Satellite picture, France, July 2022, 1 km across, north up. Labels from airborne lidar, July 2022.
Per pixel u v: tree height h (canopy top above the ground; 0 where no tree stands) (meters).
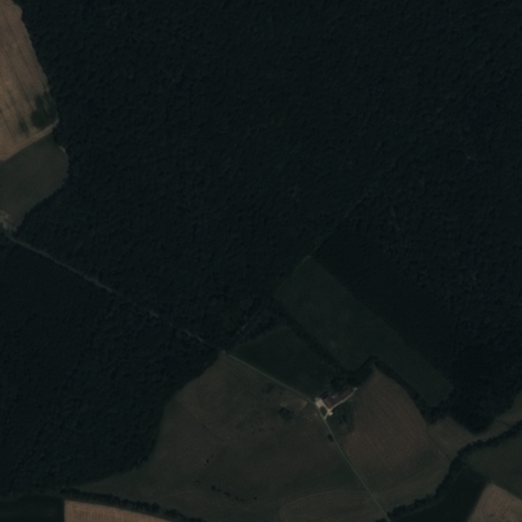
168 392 19
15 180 0
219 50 24
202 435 0
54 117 0
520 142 24
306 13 17
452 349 15
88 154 17
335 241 15
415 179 24
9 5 0
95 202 25
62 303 17
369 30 23
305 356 0
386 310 14
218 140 26
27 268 19
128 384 26
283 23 20
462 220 20
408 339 13
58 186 0
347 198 21
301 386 0
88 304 12
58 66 24
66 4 27
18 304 19
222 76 21
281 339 0
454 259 24
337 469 0
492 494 0
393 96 22
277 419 0
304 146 18
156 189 22
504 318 25
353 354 0
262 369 0
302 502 0
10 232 0
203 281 20
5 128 0
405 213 19
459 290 24
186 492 0
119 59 24
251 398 0
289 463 0
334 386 15
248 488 0
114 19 19
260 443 0
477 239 17
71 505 0
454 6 17
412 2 22
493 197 21
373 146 23
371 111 18
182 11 25
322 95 21
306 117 21
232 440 0
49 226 22
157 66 20
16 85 0
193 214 19
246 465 0
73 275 18
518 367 16
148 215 26
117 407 22
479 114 20
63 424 19
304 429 0
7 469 17
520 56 19
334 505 0
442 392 0
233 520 0
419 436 0
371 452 0
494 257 24
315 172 24
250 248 24
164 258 22
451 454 0
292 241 20
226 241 19
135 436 26
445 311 16
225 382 0
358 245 13
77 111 15
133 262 23
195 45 19
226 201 23
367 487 0
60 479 22
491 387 22
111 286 13
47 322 18
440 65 21
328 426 0
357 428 0
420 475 0
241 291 30
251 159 22
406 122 20
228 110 21
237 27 20
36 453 22
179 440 0
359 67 25
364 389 0
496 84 25
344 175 20
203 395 0
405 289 14
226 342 21
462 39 24
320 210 18
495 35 18
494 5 23
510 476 0
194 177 20
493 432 0
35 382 18
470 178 25
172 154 23
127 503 15
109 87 21
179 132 19
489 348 25
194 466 0
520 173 22
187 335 13
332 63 18
